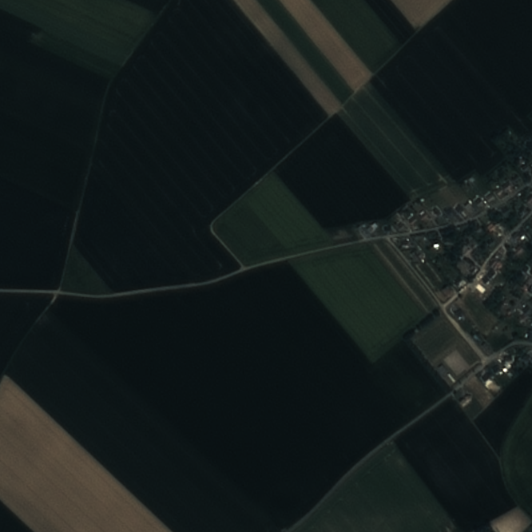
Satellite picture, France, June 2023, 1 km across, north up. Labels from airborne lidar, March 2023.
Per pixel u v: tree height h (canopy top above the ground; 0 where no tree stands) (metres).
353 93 0
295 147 0
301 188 0
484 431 0
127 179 0
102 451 0
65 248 0
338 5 0
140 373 0
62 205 0
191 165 0
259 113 0
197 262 0
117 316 0
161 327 0
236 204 0
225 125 0
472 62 0
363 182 0
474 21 0
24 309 0
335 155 0
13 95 0
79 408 0
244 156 0
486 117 0
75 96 0
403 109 0
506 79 0
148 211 0
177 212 0
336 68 0
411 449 0
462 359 0
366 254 0
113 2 0
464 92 0
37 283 0
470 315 0
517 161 11
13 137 0
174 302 0
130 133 0
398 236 0
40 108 0
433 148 0
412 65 0
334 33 0
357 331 0
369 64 0
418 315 0
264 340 0
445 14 0
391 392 0
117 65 0
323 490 0
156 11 0
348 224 0
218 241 0
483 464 0
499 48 0
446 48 0
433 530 0
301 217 0
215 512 0
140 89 0
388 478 0
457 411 0
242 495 0
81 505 0
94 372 0
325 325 0
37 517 0
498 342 0
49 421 0
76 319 0
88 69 0
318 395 0
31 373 0
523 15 0
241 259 0
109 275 0
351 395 0
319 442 0
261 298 0
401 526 0
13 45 0
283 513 0
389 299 0
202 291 0
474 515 0
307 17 0
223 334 0
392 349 0
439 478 0
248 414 0
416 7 0
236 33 0
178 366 0
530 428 0
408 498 0
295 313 0
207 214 0
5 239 0
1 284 0
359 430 0
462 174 0
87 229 0
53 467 0
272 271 0
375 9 0
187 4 0
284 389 0
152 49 0
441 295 0
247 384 0
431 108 0
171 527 0
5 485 0
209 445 0
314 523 0
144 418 0
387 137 0
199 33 0
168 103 0
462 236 15
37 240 0
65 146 0
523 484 0
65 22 0
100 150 0
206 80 0
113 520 0
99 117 0
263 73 0
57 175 0
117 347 0
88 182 0
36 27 0
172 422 0
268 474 0
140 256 0
